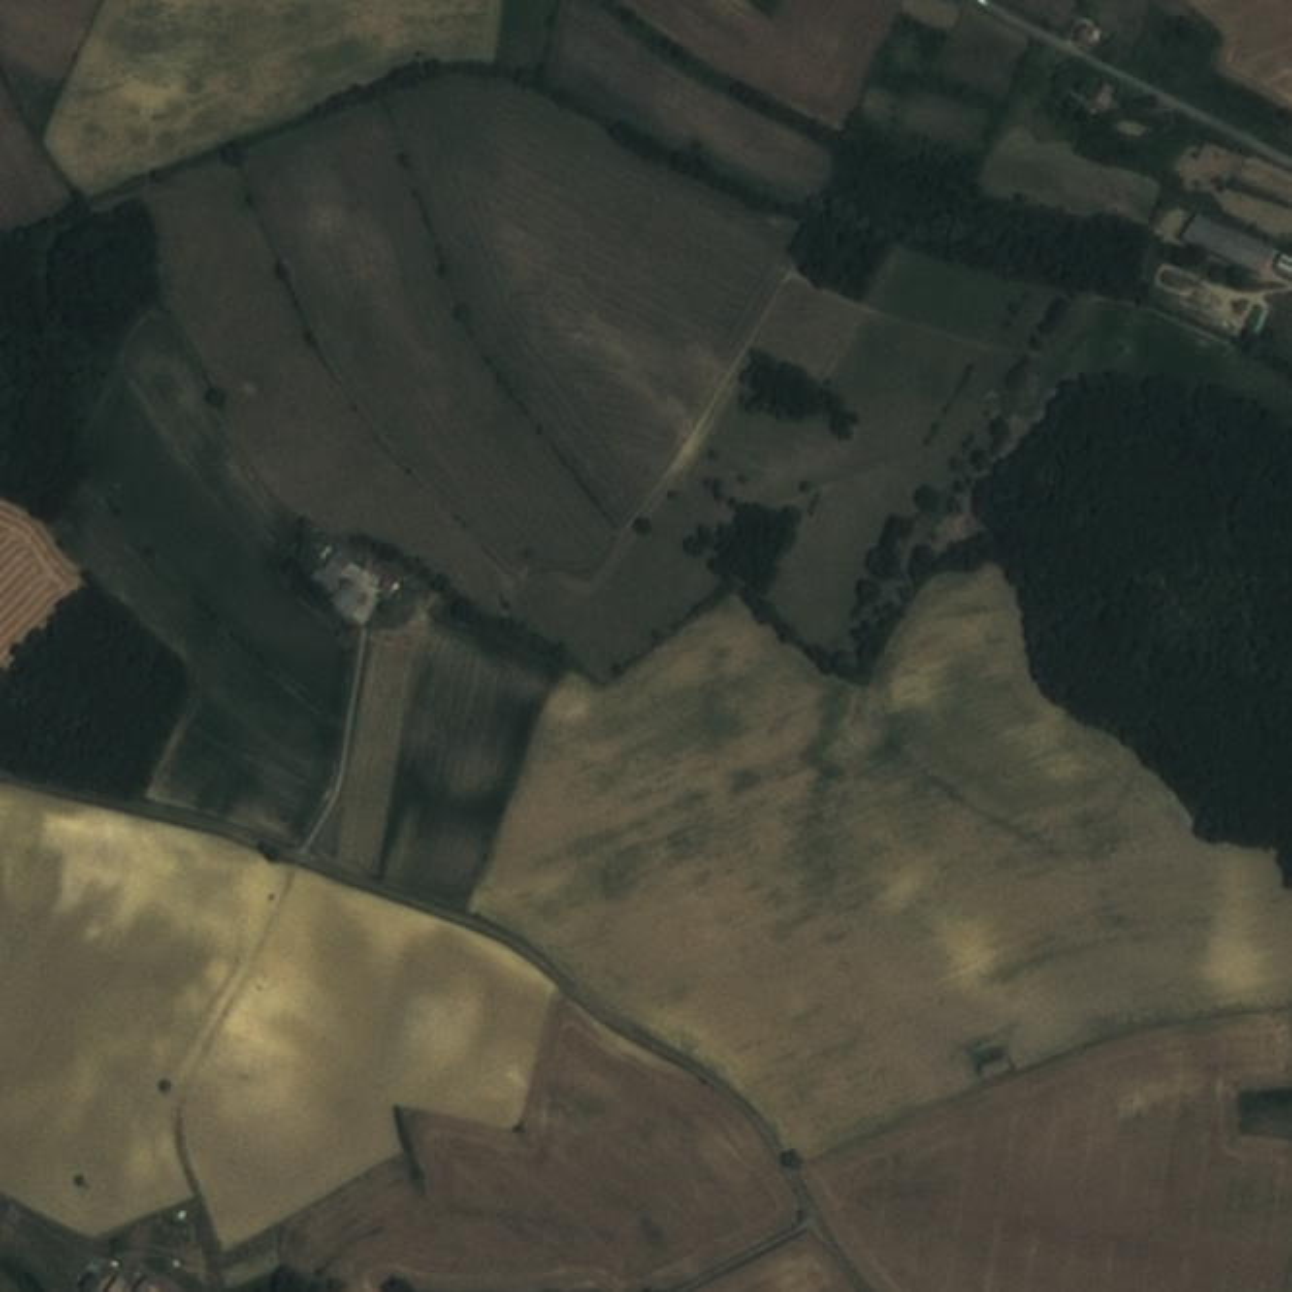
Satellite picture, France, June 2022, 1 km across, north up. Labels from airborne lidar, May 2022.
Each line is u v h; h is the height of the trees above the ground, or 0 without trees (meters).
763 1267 0
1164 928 0
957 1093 0
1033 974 0
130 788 20
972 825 0
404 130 0
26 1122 0
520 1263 0
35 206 0
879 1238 0
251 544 0
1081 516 21
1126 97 8
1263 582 17
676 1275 0
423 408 0
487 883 0
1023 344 0
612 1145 0
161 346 0
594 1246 0
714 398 0
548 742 0
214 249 0
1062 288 15
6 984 0
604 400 0
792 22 0
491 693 0
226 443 0
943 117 0
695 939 0
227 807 0
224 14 0
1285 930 0
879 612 9
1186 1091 0
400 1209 0
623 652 0
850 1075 0
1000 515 25
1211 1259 0
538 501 0
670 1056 0
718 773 0
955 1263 0
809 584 0
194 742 0
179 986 0
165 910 0
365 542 8
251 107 0
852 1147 0
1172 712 16
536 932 0
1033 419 0
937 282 0
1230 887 0
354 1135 0
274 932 0
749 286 0
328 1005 0
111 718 21
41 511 20
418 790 0
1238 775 14
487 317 0
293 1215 0
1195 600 18
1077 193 0
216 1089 0
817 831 0
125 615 16
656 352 0
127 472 0
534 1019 0
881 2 0
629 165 0
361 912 0
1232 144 6
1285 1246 0
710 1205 0
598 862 0
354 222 0
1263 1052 0
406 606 0
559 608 0
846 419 13
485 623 6
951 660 0
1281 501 23
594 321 0
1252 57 0
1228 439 22
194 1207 0
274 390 0
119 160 0
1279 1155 0
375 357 0
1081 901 0
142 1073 0
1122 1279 0
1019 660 0
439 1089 0
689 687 0
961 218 7
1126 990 0
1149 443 19
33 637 12
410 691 0
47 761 14
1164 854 0
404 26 0
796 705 0
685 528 0
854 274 9
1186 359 0
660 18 0
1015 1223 0
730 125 0
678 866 0
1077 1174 0
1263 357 9
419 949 0
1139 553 18
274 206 0
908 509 0
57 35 0
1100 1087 0
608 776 0
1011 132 0
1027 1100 0
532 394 0
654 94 0
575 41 0
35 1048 0
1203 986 0
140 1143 0
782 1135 0
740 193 13
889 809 0
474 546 0
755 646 0
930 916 0
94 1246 0
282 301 0
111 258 23
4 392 18
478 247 0
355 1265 0
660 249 0
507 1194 0
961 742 0
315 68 0
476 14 0
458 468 0
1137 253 14
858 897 0
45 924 0
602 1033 0
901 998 0
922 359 0
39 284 11
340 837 0
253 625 0
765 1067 0
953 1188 0
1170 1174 0
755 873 0
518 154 0
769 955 0
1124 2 0
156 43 0
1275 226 0
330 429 0
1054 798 0
